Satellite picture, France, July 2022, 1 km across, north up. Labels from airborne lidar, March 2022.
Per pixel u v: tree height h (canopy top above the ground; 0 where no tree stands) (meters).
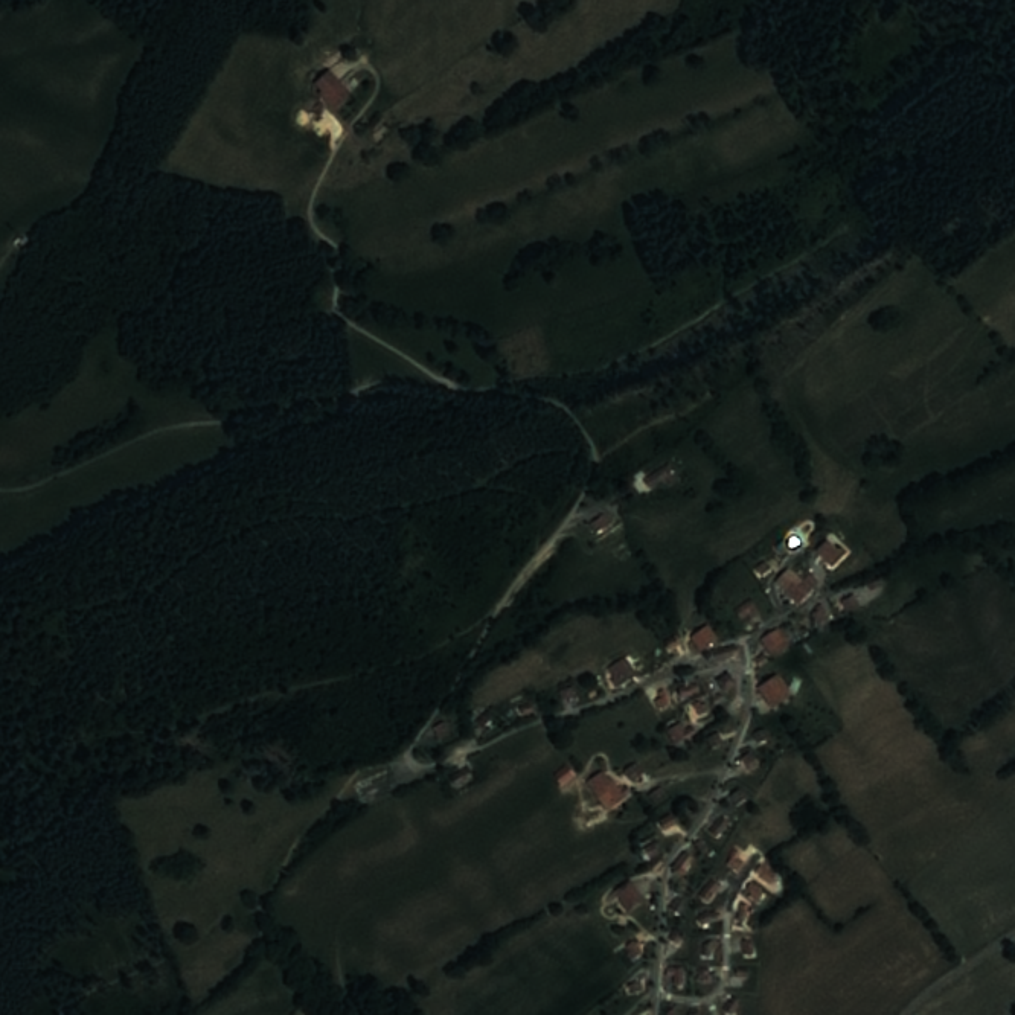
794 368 0
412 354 0
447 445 8
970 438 0
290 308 23
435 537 6
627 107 0
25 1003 27
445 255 0
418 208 0
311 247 21
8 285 9
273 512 11
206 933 0
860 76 0
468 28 0
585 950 0
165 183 24
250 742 16
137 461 0
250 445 22
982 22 31
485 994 0
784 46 20
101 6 21
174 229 13
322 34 0
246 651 7
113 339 0
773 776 0
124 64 0
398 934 0
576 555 0
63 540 16
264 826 0
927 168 29
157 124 25
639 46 20
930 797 0
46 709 8
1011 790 0
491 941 17
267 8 17
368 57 0
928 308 0
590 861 0
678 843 0
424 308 0
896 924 0
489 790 0
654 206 31
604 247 15
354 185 0
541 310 0
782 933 0
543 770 0
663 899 0
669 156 0
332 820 7
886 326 20
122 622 12
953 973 0
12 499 0
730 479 8
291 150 0
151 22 21
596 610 17
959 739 15
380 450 17
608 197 0
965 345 0
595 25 0
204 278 24
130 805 0
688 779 0
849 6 20
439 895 0
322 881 0
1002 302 0
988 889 0
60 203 0
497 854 0
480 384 0
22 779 32
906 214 24
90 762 29
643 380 18
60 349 13
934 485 22
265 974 0
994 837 0
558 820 0
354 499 16
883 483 0
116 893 30
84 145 0
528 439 12
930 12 34
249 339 25
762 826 0
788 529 0
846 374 0
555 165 0
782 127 0
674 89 0
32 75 0
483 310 0
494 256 0
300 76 0
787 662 0
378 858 0
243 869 0
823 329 0
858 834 16
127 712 16
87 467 0
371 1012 31
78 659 11
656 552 0
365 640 9
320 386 27
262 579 22
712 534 0
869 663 0
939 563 0
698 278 0
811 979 0
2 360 12
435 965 0
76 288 12
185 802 0
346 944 0
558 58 0
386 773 0
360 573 20
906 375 0
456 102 0
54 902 33
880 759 0
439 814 0
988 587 0
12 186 0
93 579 9
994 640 0
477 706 0
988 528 8
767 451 0
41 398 12
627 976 0
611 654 0
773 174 0
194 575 14
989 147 20
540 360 0
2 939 24
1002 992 0
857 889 0
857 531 0
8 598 9
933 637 0
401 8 0
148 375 17
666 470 0
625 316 0
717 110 0
